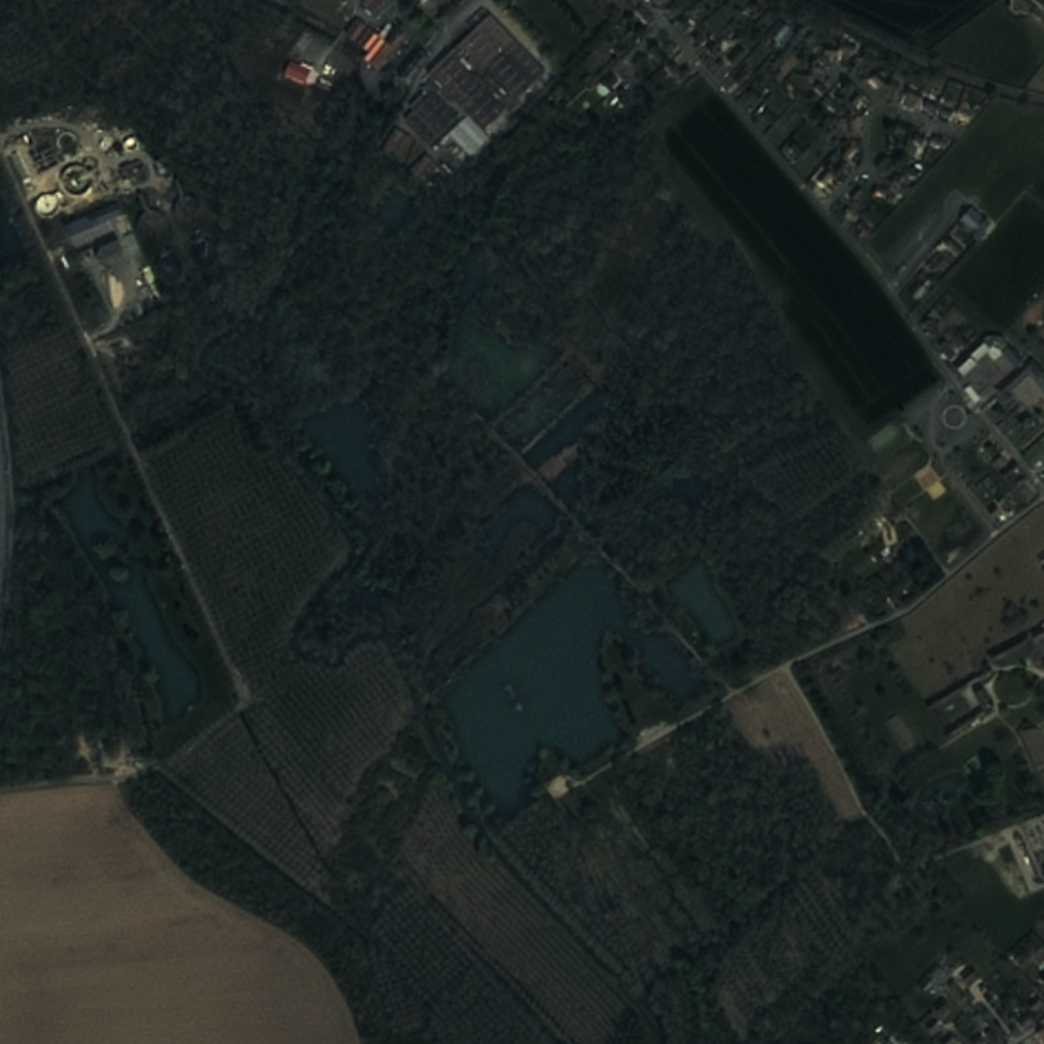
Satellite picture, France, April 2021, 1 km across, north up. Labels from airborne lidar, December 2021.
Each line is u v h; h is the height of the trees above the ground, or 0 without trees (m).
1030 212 0
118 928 0
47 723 21
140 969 0
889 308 0
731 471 11
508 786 0
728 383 11
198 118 33
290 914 7
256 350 13
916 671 0
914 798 10
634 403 23
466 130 0
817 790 33
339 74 0
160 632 0
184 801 6
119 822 0
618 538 13
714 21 0
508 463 16
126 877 0
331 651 20
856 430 0
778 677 0
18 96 9
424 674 8
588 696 0
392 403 24
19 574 20
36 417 28
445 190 30
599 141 16
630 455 17
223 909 0
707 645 16
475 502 22
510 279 23
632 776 26
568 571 0
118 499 0
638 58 9
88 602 22
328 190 15
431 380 24
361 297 19
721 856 16
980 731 0
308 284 22
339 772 23
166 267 0
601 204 9
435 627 12
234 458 27
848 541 28
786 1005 16
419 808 7
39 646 21
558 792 0
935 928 0
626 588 11
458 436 14
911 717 0
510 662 0
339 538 29
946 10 0
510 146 15
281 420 19
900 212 0
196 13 13
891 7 0
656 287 20
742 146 0
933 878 13
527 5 0
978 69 0
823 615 25
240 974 0
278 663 28
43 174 0
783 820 7
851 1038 25
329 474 12
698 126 0
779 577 30
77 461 27
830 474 35
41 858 0
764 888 11
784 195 0
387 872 6
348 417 0
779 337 20
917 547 17
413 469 14
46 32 11
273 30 17
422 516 20
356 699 25
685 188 0
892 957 0
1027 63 0
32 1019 0
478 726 0
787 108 0
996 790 29
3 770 19
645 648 0
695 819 9
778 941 22
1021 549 0
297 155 32
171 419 18
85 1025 0
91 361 25
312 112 0
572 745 0
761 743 0
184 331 13
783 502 28
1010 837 0
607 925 36
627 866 0
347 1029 0
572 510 17
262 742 23
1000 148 0
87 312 0
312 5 0
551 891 37
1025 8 0
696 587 0
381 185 34
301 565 29
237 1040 0
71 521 0
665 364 23
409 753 7
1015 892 0
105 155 0
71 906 0
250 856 7
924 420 0
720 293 19
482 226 28
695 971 20
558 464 0
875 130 0
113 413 27
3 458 0
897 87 9
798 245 0
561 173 16
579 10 0
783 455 31
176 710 0
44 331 17
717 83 0
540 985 17
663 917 0
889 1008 14
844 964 28
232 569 29
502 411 15
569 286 27
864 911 28
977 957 0
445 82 0
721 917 8
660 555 28
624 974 34
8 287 21
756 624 16
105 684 24
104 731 24
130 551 0
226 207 30
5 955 0
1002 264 0
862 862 28
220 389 10
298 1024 0
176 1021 0
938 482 0
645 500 12
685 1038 30
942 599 0
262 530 30
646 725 0
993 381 0
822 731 0
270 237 30
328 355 20
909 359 0
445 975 25
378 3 0
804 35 6
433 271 26
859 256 0
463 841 17
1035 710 0
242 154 25
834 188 0
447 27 0
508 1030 34
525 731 0
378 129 20
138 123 13
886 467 0
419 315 22
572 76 5
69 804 0
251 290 26
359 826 7
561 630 0
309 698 25
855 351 0
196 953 0
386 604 18
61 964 0
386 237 19
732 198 0
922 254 0
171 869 0
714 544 26
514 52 0
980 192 0
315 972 0
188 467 28
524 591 24
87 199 0
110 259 0
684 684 0
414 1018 28
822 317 0
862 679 0
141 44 8
